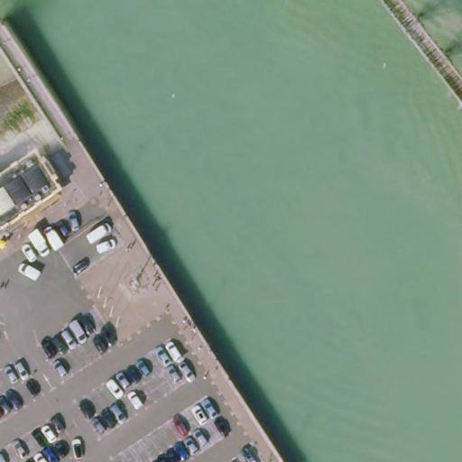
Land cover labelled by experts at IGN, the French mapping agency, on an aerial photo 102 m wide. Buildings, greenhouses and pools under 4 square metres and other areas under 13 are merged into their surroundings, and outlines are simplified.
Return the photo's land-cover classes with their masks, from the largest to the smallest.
<instances>
[{"label":"water","instance_id":"1","mask_svg":"<svg viewBox=\"0 0 462 462\"><path fill-rule=\"evenodd\" d=\"M390 5L384 0H0V18L11 29L14 38L32 61L34 69L38 70L45 85L51 90L63 114L67 115L70 125L79 135L81 143L85 144L90 157L103 173L106 184L114 191L115 197L121 202L139 235L143 236L144 244L152 254L153 260L159 263L162 273L166 274L171 287L188 309L195 327L202 332L209 348L217 356L220 365L224 366L229 379L244 397L247 406L262 424L267 437L271 439L274 448L278 449L285 462H462V99L449 87L448 81L440 76L435 67H430V63L426 61L428 56L419 54L413 47L408 36L402 32L404 27L399 20L392 18V14L388 13ZM410 5L413 14L419 18V22L426 27V31L433 36V40L442 47L444 54L462 72V0H404Z\"/></svg>","mask_w":462,"mask_h":462},{"label":"impervious surface","instance_id":"2","mask_svg":"<svg viewBox=\"0 0 462 462\"><path fill-rule=\"evenodd\" d=\"M0 51L4 52L5 58L16 70L23 85H27L32 99L40 106L45 119L58 135L56 141L47 144L42 152L47 161L51 162L52 170L58 175V180L63 186L60 195L51 189V195L47 197H34L31 206L23 204L22 211L16 217L0 226V462H285L278 449L274 448L271 439L267 437L262 424L247 406L244 397L229 379L224 366L220 365L217 356L209 348L202 332L195 327L188 309L171 287L166 274L162 273L159 263L153 260L152 254L144 244L143 236L139 235L121 202L115 197L114 191L106 184L103 173L90 157L85 144L81 143L79 135L70 125L67 115L63 114L51 90L45 85L38 70L34 69L32 61L14 38L11 29L0 18Z\"/></svg>","mask_w":462,"mask_h":462},{"label":"bare soil","instance_id":"3","mask_svg":"<svg viewBox=\"0 0 462 462\"><path fill-rule=\"evenodd\" d=\"M390 5L388 13L392 14V18L399 20L404 27L402 32L408 36L413 47L419 54L428 56L426 61L430 63V67H435L440 76L448 81L449 87L462 99V72L444 54L442 47L433 40V36L426 31V27L419 22V18L413 14L410 5L404 0H384ZM25 103L34 115L31 119L23 117L16 130H7L4 126L5 115L11 114ZM58 135L45 119L40 106L32 99L27 85H23L16 70L5 58L4 52L0 51V170L20 159L29 148H38L42 152L47 144L56 141Z\"/></svg>","mask_w":462,"mask_h":462},{"label":"building","instance_id":"4","mask_svg":"<svg viewBox=\"0 0 462 462\"><path fill-rule=\"evenodd\" d=\"M63 186L58 180V175L52 170L51 162L47 161L42 152L38 148H29L20 159L0 170V226L16 217L22 211L23 204L31 206L34 197H47L51 195V189L60 195Z\"/></svg>","mask_w":462,"mask_h":462},{"label":"herbaceous vegetation","instance_id":"5","mask_svg":"<svg viewBox=\"0 0 462 462\"><path fill-rule=\"evenodd\" d=\"M34 115L25 103L11 114L5 115L4 126L7 130H16L23 117L31 119Z\"/></svg>","mask_w":462,"mask_h":462}]
</instances>
